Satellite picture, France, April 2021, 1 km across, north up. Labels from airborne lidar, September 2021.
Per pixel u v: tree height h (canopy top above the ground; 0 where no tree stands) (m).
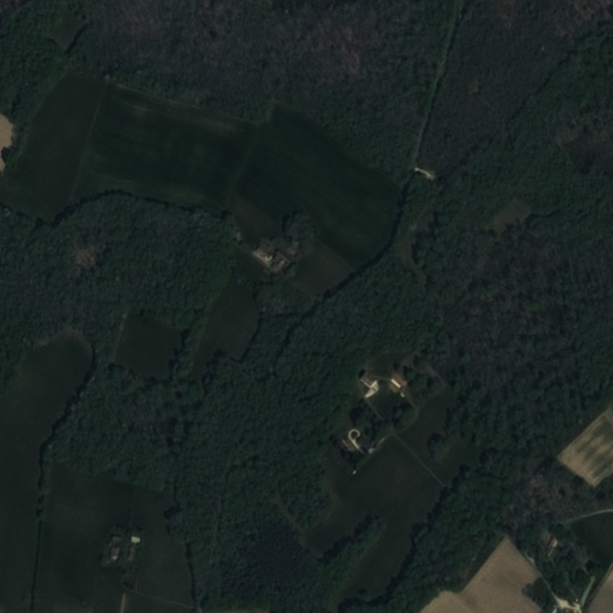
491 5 9
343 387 27
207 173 0
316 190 0
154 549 0
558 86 20
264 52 16
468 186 24
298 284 0
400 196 0
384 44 18
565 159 22
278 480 26
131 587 6
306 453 24
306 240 15
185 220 19
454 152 11
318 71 15
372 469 0
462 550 22
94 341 24
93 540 0
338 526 0
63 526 0
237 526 20
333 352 26
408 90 17
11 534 0
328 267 0
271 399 23
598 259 20
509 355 22
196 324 20
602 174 23
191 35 13
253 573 21
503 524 24
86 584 0
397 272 25
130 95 0
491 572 0
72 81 0
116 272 21
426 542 29
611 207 22
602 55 20
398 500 0
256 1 22
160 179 0
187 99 20
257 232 0
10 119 16
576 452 0
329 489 0
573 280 21
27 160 0
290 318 17
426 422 0
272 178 0
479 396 26
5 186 0
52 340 14
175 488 19
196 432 26
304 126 0
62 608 0
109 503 0
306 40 19
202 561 21
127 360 0
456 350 8
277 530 25
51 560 0
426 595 25
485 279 8
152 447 20
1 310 18
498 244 23
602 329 22
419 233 0
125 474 22
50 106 0
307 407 25
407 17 17
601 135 24
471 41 10
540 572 13
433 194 20
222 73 17
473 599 0
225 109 14
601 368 24
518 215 0
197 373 0
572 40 9
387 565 0
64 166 0
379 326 21
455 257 24
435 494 0
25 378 0
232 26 14
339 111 17
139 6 19
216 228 18
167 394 25
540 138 20
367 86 14
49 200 0
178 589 0
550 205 16
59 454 20
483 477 11
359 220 0
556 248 24
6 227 20
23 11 19
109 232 22
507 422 8
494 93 12
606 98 17
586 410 22
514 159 20
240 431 22
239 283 10
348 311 22
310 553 11
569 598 18
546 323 21
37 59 19
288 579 23
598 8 10
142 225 23
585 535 0
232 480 27
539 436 26
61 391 0
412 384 17
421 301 23
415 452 0
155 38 15
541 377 8
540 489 24
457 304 9
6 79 18
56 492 0
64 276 21
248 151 0
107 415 26
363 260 0
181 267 21
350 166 0
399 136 21
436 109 13
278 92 17
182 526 22
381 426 12
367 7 15
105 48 12
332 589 23
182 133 0
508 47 10
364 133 22
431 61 18
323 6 7
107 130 0
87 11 18
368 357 19
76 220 21
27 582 0
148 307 23
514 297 20
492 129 10
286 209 0
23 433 0
